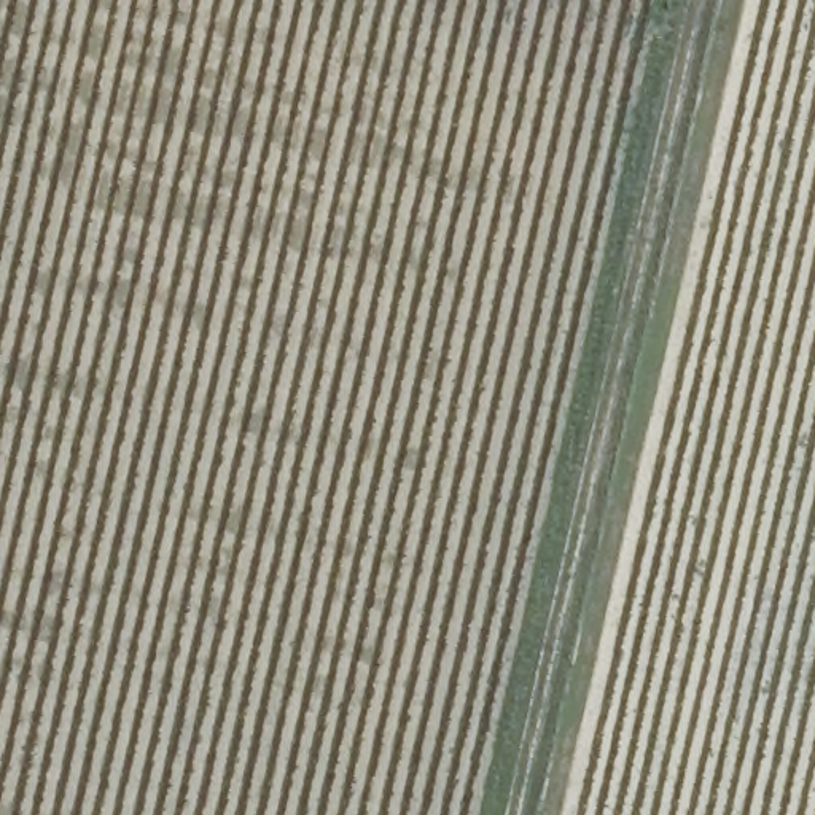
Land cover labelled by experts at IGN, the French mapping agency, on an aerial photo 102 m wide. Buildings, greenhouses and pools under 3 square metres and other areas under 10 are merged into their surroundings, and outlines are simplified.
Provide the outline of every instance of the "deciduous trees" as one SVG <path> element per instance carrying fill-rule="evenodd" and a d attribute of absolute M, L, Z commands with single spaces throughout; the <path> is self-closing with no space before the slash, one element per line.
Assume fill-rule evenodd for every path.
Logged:
<path fill-rule="evenodd" d="M 624 175 L 614 201 L 614 220 L 608 232 L 599 293 L 592 302 L 576 392 L 570 401 L 567 433 L 554 471 L 551 506 L 525 602 L 525 621 L 500 713 L 493 761 L 484 783 L 481 815 L 503 815 L 525 723 L 528 688 L 560 563 L 560 548 L 570 522 L 583 446 L 592 423 L 592 404 L 599 395 L 602 363 L 608 350 L 614 283 L 624 274 L 627 232 L 634 226 L 634 210 L 643 194 L 656 115 L 662 108 L 662 86 L 669 64 L 675 57 L 656 38 L 640 102 L 627 105 L 621 137 L 621 143 L 627 143 Z"/>

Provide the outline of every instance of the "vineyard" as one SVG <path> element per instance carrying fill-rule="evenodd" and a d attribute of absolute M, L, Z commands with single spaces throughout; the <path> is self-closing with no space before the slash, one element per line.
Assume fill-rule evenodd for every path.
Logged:
<path fill-rule="evenodd" d="M 576 392 L 592 302 L 599 293 L 608 232 L 614 220 L 614 201 L 624 175 L 627 143 L 621 143 L 621 137 L 627 105 L 640 102 L 656 38 L 675 57 L 669 64 L 662 86 L 662 108 L 656 115 L 643 194 L 634 210 L 634 226 L 627 232 L 624 274 L 614 283 L 608 350 L 602 363 L 599 395 L 592 404 L 592 423 L 583 446 L 570 522 L 560 548 L 560 563 L 528 688 L 525 723 L 503 815 L 815 815 L 815 0 L 0 0 L 0 815 L 481 815 L 484 783 L 493 761 L 500 713 L 525 621 L 525 602 L 551 506 L 554 471 L 567 433 L 570 401 Z"/>

